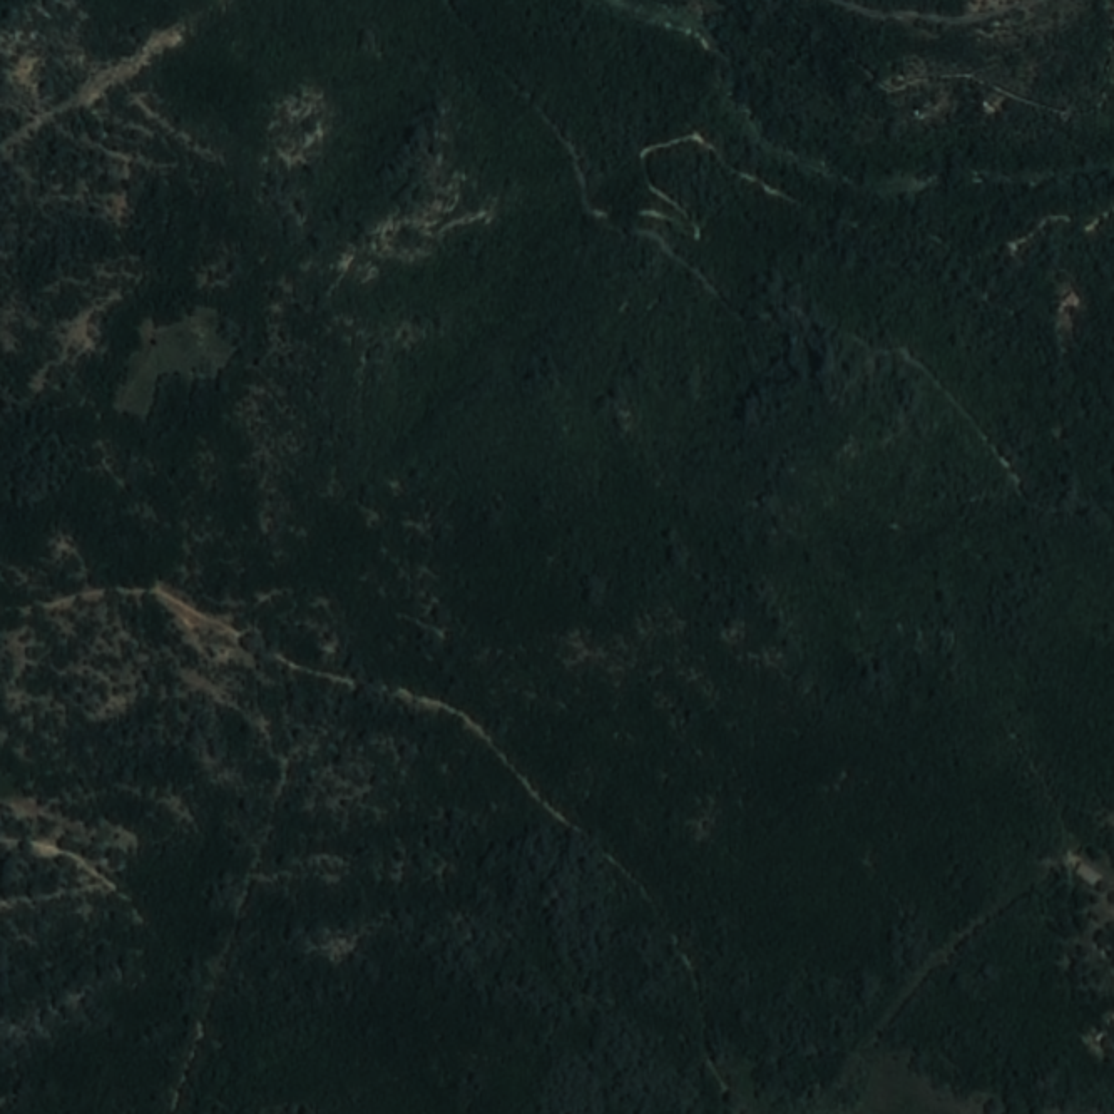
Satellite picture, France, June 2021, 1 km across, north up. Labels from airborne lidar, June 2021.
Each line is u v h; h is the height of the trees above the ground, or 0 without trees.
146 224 8
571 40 14
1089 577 10
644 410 11
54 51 8
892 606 12
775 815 6
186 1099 9
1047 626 11
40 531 6
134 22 6
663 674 7
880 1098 0
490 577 8
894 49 16
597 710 8
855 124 6
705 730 8
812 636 8
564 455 6
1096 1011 15
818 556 6
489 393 9
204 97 18
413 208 20
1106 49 7
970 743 13
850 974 12
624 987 11
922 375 10
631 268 6
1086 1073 12
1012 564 11
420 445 13
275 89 12
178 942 8
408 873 8
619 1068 15
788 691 6
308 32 14
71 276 7
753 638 8
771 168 10
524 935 10
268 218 6
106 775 11
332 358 8
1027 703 13
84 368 6
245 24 14
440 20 14
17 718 7
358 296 9
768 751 9
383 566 8
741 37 11
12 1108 12
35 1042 6
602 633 6
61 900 8
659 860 7
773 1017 10
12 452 11
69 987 16
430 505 9
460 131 10
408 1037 11
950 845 14
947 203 12
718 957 8
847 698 11
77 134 6
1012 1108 11
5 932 7
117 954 8
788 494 7
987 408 11
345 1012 8
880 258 9
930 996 7
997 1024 6
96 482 6
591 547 10
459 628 7
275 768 6
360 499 6
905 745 12
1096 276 12
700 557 9
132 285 6
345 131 11
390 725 7
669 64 23
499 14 17
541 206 7
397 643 7
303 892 6
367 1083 8
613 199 14
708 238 9
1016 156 15
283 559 5
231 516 7
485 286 10
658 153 7
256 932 6
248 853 9
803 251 13
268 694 6
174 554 10
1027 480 12
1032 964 11
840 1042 11
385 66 12
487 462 9
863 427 6
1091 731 14
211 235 6
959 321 11
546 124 15
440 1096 10
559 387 7
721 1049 15
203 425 9
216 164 7
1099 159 16
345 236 7
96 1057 9
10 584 6
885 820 9
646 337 9
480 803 8
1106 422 9
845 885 8
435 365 12
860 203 16
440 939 15
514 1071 9
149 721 7
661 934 8
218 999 8
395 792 8
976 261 7
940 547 15
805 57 15
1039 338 13
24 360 7
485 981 8
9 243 10
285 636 6
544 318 9
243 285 9
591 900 13
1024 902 13
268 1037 12
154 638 8
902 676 8
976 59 6
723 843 7
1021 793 11
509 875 18
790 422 10
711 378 10
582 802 6
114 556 10
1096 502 13
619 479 11
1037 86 7
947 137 10
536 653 7
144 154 6
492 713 6
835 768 9
